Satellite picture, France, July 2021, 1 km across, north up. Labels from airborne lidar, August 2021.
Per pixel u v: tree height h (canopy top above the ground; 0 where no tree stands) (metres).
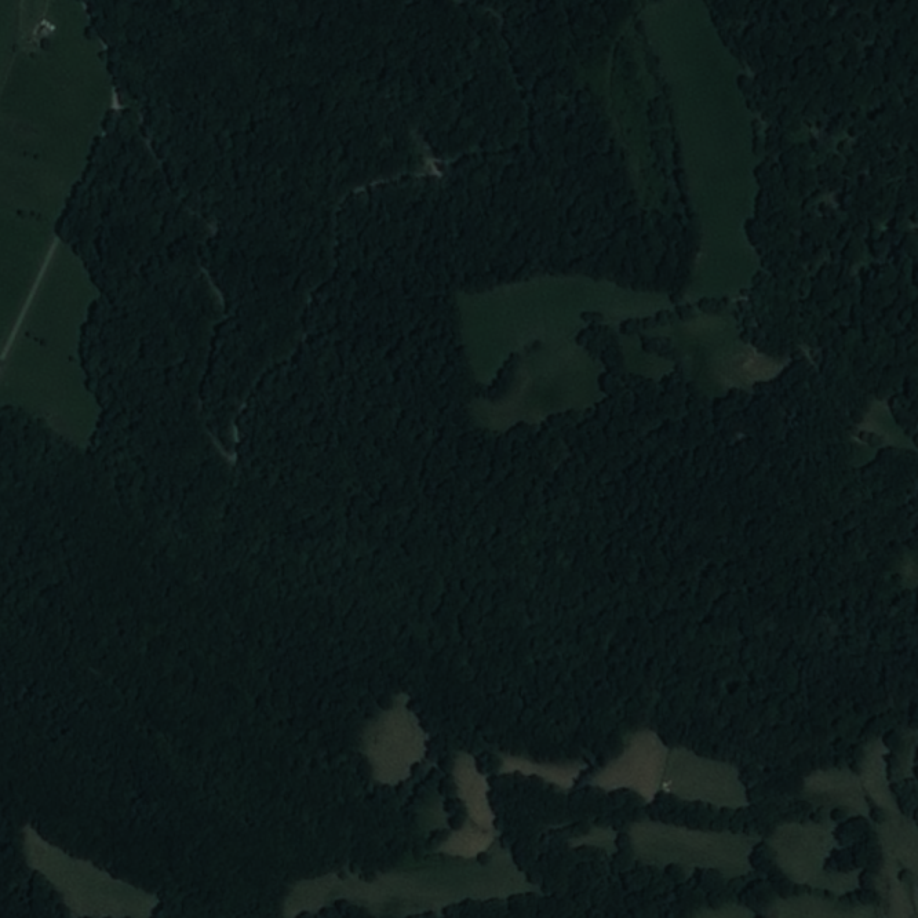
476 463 27
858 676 23
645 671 24
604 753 28
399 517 29
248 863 22
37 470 23
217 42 21
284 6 19
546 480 21
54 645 17
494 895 0
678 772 0
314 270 24
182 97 25
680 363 20
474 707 29
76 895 0
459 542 24
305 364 25
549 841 13
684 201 7
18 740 27
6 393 0
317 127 22
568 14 22
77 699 21
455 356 21
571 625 21
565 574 29
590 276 12
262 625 23
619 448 26
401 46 29
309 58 18
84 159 0
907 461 20
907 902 0
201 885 21
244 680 25
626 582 26
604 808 20
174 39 23
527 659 24
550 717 33
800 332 17
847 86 35
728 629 25
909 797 19
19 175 0
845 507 17
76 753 31
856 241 31
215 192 23
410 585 21
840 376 25
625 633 28
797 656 18
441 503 28
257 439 20
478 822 0
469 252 23
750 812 15
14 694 28
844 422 19
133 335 24
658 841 0
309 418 20
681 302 10
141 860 28
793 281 19
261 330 24
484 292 14
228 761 24
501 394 18
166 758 18
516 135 31
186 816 21
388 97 30
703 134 0
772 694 25
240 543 23
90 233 33
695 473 17
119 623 21
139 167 25
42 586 26
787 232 26
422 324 22
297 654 22
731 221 0
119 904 0
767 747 23
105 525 25
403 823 24
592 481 22
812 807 10
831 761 16
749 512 24
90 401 0
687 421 24
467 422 26
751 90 21
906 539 19
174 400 21
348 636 22
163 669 23
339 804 25
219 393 21
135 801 9
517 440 22
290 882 19
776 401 19
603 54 6
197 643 30
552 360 0
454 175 21
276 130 20
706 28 0
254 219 23
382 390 23
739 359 0
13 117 0
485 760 20
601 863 23
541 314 0
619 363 28
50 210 0
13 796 20
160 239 22
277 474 17
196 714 25
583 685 22
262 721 27
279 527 9
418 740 0
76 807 28
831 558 24
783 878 26
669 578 20
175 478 21
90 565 25
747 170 0
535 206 22
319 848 19
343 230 16
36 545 29
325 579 23
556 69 28
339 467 27
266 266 30
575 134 30
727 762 14
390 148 21
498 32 20
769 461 23
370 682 24
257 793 20
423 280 24
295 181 18
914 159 29
